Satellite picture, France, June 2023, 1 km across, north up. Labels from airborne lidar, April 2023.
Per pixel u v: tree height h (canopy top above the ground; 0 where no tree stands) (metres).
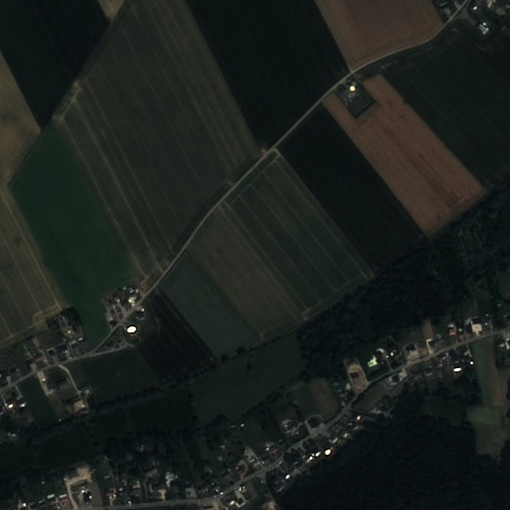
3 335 0
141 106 0
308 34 0
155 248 0
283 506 8
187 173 0
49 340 0
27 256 0
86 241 0
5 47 0
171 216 0
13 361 0
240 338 0
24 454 0
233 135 0
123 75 0
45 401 0
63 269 0
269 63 0
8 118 0
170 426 0
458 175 0
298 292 0
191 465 0
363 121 0
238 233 0
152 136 0
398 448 20
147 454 11
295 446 0
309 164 0
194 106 0
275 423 8
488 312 0
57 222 0
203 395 0
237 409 0
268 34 0
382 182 0
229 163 0
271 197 0
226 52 0
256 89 0
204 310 0
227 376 0
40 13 0
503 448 0
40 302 0
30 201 0
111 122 0
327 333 23
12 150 0
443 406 0
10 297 0
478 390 21
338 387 0
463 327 6
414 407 32
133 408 0
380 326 23
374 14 0
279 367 0
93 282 0
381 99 0
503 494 17
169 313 0
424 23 0
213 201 0
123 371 0
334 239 0
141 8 0
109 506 0
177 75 0
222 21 0
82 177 0
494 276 5
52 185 0
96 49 0
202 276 0
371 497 12
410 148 0
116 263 0
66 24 0
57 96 0
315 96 0
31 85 0
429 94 0
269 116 0
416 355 0
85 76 0
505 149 0
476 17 0
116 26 0
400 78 0
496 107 0
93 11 0
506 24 0
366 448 16
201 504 0
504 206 6
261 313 0
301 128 0
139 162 0
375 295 18
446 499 13
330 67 0
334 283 0
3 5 0
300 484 17
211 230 0
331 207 0
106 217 0
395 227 0
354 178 0
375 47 0
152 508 0
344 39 0
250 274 0
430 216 0
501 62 0
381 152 0
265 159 0
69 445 0
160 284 0
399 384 0
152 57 0
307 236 0
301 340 16
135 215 0
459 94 0
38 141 0
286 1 0
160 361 0
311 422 8
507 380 0
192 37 0
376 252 0
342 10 0
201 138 0
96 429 0
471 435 21
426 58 0
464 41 0
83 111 0
